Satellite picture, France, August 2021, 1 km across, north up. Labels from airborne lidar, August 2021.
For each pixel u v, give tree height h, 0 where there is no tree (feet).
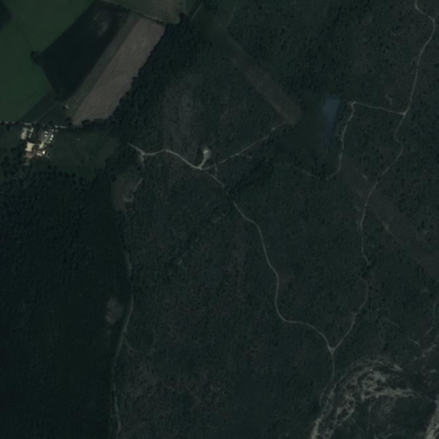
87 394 24
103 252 27
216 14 31
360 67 19
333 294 22
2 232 59
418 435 0
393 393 0
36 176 49
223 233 22
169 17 0
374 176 20
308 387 28
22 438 49
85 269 38
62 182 49
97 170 30
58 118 0
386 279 19
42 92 0
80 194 45
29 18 0
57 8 0
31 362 62
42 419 61
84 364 35
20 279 47
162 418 21
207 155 0
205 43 57
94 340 23
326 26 27
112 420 32
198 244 23
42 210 40
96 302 29
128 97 28
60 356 51
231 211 29
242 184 47
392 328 18
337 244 24
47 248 50
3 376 60
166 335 20
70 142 0
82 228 49
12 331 57
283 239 26
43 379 54
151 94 54
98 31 0
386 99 18
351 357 20
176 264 26
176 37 70
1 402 56
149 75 62
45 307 36
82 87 0
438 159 21
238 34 24
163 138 22
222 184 18
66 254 57
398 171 31
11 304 68
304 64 42
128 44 0
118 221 59
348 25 39
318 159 44
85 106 0
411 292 34
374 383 0
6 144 0
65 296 33
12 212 37
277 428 30
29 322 58
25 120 0
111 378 38
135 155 49
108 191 51
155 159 22
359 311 23
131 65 0
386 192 24
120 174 27
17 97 0
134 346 26
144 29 0
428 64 0
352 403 22
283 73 34
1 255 56
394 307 27
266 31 28
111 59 0
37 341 47
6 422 62
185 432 20
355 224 23
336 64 43
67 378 42
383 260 19
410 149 30
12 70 0
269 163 32
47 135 0
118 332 59
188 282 28
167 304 24
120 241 47
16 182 31
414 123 22
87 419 44
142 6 0
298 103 23
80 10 0
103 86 0
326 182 26
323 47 19
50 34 0
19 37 0
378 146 0
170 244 17
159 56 54
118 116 51
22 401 60
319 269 35
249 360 19
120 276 41
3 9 0
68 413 68
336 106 0
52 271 58
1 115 0
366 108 28
